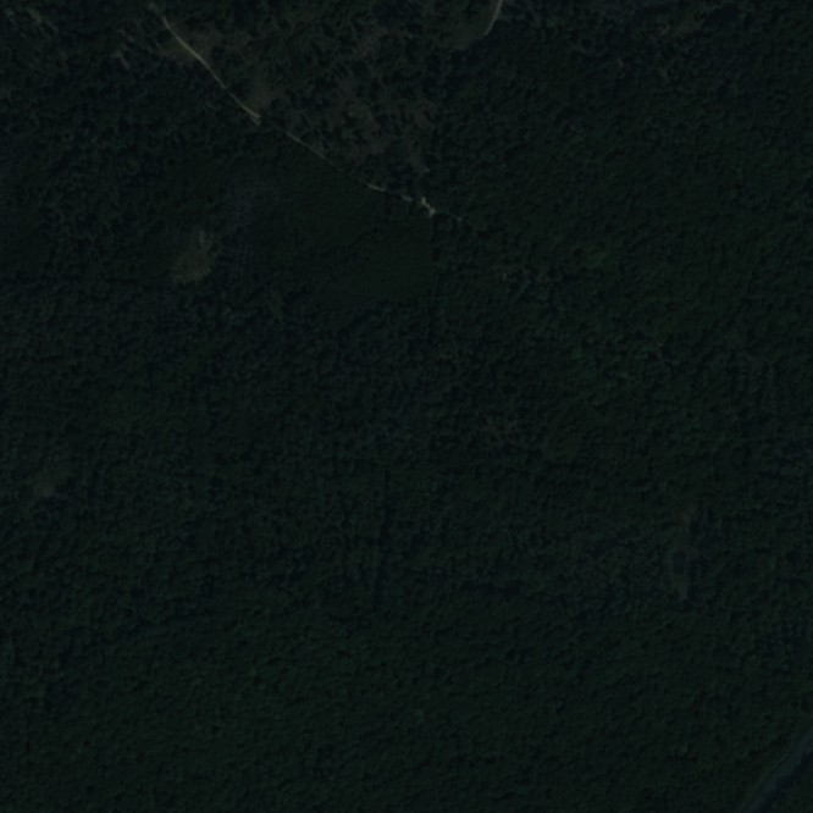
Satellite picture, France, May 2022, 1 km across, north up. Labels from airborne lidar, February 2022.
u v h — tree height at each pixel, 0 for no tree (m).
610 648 32
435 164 30
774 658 34
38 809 30
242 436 20
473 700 30
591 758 31
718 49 22
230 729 27
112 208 27
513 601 29
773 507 26
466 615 30
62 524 27
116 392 23
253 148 20
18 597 27
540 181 25
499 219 25
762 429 25
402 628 30
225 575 28
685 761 27
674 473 24
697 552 21
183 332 27
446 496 20
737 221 24
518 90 28
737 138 30
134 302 24
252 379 26
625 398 30
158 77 31
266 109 0
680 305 29
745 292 20
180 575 22
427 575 20
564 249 27
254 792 28
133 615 14
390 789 31
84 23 29
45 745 30
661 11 34
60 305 27
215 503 19
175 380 29
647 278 27
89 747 28
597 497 23
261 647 31
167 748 27
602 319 30
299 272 20
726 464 23
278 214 13
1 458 21
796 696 28
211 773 29
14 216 16
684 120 29
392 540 23
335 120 0
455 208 25
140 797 32
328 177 13
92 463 12
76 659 27
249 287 13
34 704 30
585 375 24
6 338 30
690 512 0
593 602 21
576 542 26
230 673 29
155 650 29
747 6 33
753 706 28
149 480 17
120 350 23
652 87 28
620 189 21
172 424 22
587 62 23
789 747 16
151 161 30
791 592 21
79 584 22
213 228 17
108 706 32
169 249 15
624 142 25
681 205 22
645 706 32
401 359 26
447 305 21
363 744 28
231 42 0
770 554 26
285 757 28
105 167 31
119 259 20
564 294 31
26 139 12
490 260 22
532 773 31
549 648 30
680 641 29
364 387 25
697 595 19
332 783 29
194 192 13
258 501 24
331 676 25
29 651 27
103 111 30
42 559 17
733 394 25
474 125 29
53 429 17
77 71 23
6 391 25
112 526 24
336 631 27
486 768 29
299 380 24
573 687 31
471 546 24
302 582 26
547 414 21
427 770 31
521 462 18
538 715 32
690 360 18
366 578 26
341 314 10
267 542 12
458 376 20
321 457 14
